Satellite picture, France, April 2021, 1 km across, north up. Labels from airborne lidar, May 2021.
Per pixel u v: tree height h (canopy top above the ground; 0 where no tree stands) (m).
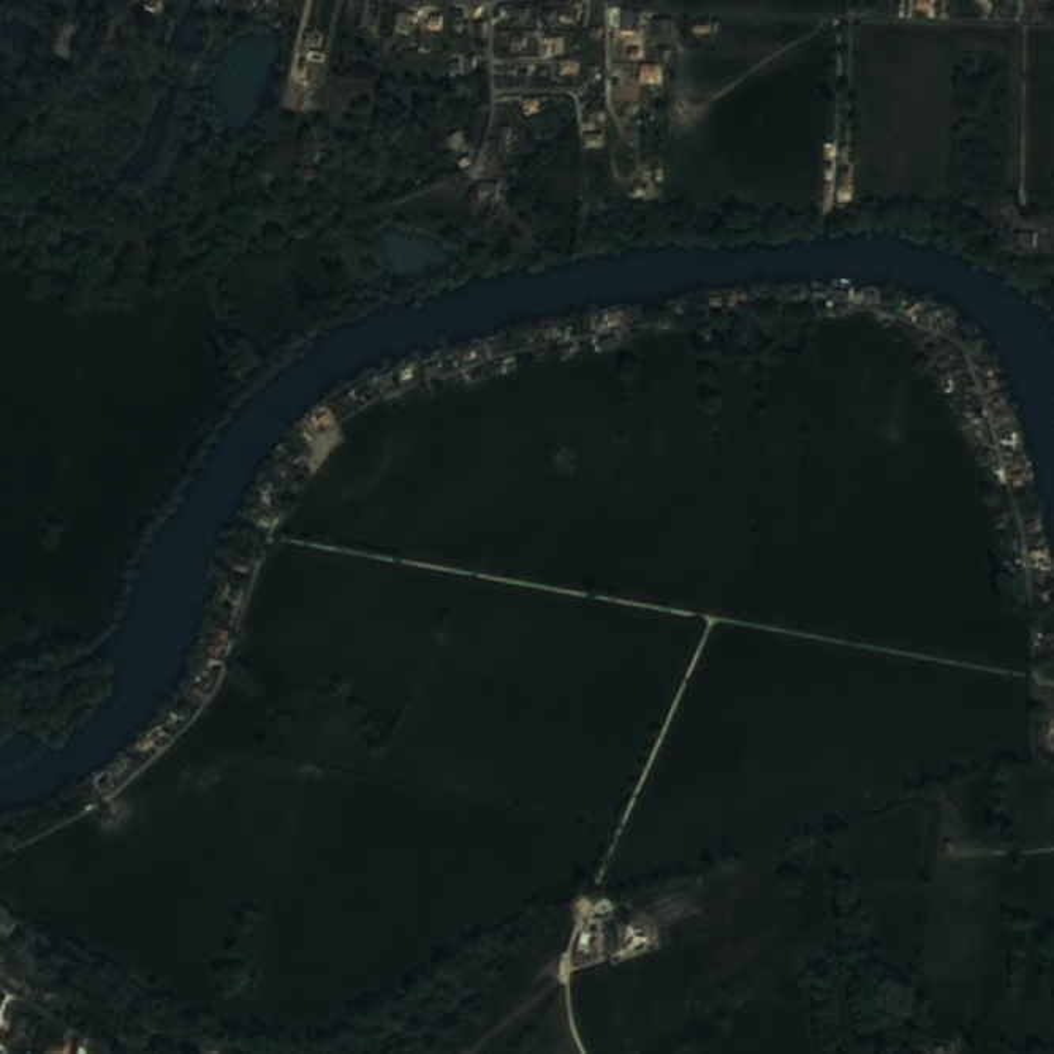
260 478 7
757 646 0
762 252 0
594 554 0
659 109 10
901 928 0
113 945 0
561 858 0
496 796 0
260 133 15
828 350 0
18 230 14
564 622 0
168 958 0
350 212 17
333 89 0
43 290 18
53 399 0
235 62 0
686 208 13
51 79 15
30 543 0
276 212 11
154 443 0
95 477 0
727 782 0
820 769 0
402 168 21
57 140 11
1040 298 19
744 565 0
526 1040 14
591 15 0
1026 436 0
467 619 0
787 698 0
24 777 0
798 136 0
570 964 0
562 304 0
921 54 0
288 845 0
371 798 0
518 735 0
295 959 0
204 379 0
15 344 0
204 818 0
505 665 0
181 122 17
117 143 19
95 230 17
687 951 0
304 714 0
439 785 0
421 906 0
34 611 0
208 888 0
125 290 20
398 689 0
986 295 0
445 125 10
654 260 0
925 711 0
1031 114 0
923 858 0
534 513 0
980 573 0
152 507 10
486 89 13
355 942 0
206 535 0
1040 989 0
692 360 0
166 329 0
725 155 0
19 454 0
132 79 21
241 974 20
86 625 0
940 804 0
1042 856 0
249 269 0
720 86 0
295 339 11
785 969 0
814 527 0
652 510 0
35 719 25
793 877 16
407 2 0
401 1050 7
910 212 20
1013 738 0
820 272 0
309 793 0
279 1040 18
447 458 0
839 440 0
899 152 0
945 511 0
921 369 10
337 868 0
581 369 0
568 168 0
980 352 24
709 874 15
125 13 19
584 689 0
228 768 0
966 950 0
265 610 0
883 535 0
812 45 0
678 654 0
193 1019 17
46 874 0
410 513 0
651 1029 0
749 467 0
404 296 13
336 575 0
